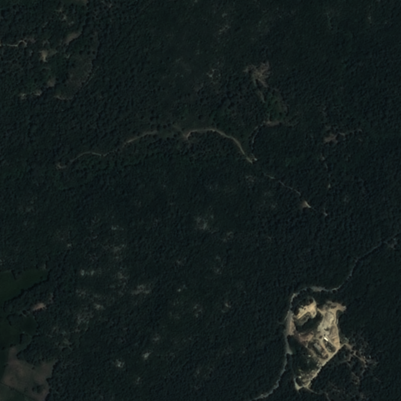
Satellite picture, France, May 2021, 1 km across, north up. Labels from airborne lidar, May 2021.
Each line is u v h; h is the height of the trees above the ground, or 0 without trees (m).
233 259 16
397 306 20
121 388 13
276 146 15
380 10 9
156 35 8
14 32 12
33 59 18
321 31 16
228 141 9
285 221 11
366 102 6
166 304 8
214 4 10
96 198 12
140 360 11
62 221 10
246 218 10
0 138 15
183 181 14
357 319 9
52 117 20
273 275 17
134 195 8
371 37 8
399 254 18
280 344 19
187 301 9
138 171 13
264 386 21
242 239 9
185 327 9
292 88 22
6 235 10
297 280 19
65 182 13
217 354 12
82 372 9
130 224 15
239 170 13
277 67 6
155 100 7
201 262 15
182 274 13
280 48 8
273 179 8
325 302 15
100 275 9
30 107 15
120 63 7
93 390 9
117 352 11
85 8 12
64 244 6
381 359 13
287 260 24
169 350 8
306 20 8
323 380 9
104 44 19
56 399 12
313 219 23
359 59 10
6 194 12
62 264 23
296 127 8
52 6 11
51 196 11
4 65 13
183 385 19
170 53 6
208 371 9
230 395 19
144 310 14
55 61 10
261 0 6
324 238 21
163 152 6
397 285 17
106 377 11
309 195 19
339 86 6
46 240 10
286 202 13
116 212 8
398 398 16
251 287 14
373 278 21
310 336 0
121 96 24
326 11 10
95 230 7
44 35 19
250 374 22
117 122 6
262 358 19
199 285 7
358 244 18
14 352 0
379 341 17
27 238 9
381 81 20
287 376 16
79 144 7
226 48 8
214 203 10
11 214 8
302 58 9
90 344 13
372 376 13
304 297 7
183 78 6
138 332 22
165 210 14
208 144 14
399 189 21
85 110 13
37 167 28
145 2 7
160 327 13
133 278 10
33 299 13
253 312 15
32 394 0
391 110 16
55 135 6
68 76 15
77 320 5
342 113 17
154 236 12
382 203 12
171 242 13
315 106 12
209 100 17
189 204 10
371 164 19
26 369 0
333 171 23
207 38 9
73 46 10
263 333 18
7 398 0
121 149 15
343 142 15
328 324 0
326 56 8
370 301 13
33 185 9
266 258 17
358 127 18
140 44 7
